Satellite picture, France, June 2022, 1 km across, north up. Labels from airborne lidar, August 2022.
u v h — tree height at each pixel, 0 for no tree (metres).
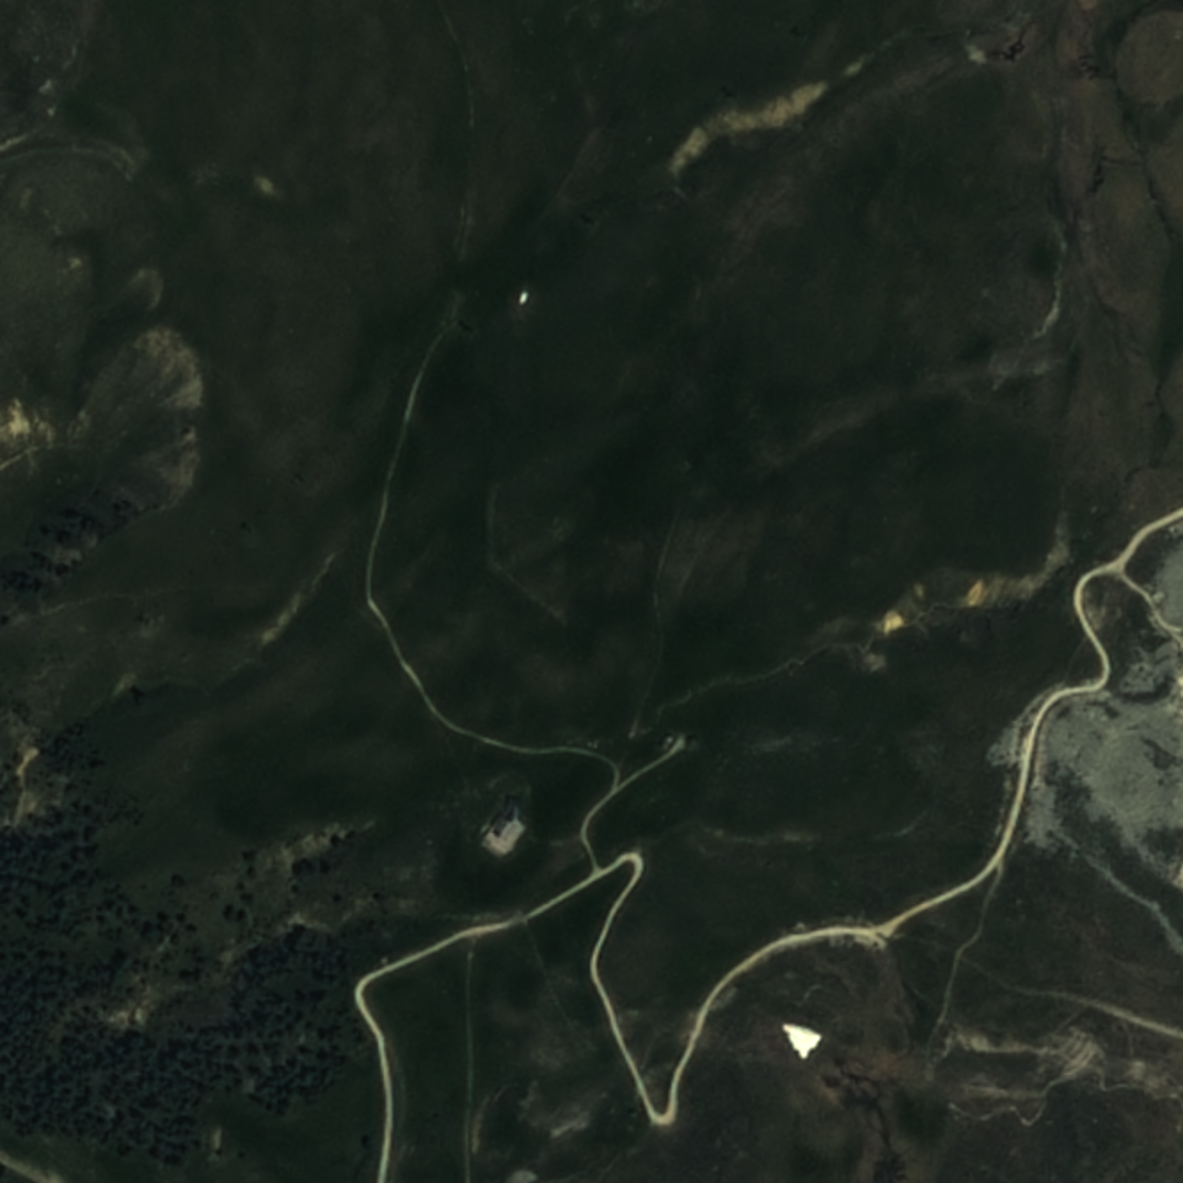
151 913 0
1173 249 0
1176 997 0
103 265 0
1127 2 0
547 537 0
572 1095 0
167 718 0
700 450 0
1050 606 0
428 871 0
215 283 0
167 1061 13
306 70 0
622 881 0
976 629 0
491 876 0
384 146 0
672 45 0
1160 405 0
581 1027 0
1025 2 0
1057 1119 0
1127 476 0
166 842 0
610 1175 0
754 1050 0
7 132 0
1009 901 0
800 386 0
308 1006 14
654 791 0
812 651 0
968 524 0
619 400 0
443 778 0
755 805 0
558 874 0
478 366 0
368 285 0
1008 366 0
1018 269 0
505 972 0
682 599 0
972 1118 0
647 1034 0
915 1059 0
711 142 0
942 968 0
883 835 0
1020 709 0
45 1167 0
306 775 0
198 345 0
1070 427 0
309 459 0
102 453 0
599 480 0
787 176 0
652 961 0
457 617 0
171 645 0
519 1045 0
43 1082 11
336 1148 0
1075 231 0
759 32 0
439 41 0
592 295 0
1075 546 0
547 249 0
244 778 0
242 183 0
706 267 0
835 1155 0
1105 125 0
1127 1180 0
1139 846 0
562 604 0
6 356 0
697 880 0
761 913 0
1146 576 0
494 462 0
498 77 0
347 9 0
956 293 0
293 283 0
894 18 0
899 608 0
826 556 0
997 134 0
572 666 0
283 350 0
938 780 0
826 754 0
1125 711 0
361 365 0
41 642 0
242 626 0
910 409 0
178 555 0
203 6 0
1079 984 0
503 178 0
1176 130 0
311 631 0
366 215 0
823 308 0
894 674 0
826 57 0
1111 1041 0
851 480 0
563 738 0
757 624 0
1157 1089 0
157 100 0
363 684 0
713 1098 0
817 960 0
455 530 0
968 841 0
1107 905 0
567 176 0
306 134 0
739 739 0
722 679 0
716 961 0
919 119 0
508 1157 0
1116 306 0
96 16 0
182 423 0
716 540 0
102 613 0
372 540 0
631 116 0
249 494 0
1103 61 0
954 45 0
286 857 0
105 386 0
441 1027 0
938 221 0
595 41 0
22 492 0
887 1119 0
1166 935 0
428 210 0
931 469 0
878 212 0
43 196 0
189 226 0
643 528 0
